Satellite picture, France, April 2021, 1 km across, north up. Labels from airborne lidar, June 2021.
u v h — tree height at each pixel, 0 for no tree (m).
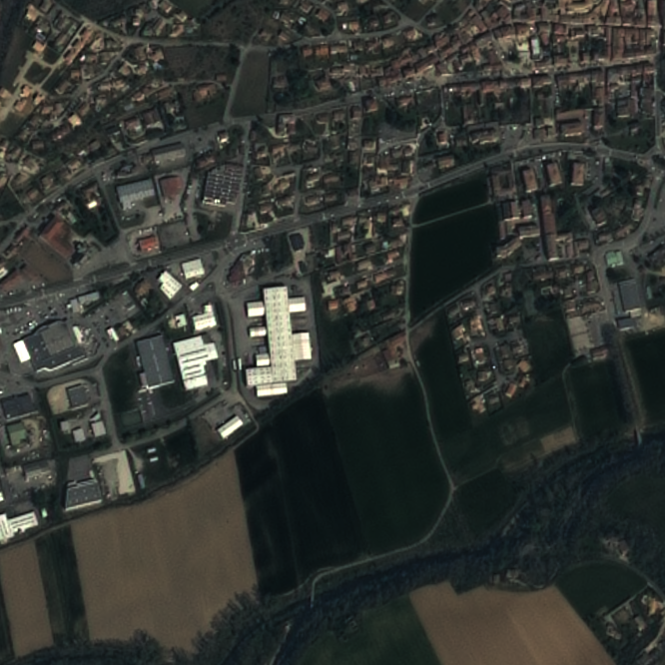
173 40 0
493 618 0
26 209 7
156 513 0
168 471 0
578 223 14
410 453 0
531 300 0
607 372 0
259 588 0
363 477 0
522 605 0
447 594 0
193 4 0
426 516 0
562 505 21
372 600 15
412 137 0
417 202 0
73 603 0
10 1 6
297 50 13
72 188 6
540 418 0
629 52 0
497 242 9
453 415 0
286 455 0
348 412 0
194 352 0
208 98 6
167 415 0
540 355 0
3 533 0
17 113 0
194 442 13
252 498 0
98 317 0
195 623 0
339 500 0
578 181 0
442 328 0
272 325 0
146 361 0
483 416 0
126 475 0
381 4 7
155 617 0
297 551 0
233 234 0
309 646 10
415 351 0
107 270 0
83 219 7
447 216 0
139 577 0
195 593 0
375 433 0
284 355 0
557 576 9
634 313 0
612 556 18
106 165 0
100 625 0
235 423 0
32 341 0
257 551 0
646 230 0
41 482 0
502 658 0
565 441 0
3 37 8
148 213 0
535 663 0
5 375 0
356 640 0
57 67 0
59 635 0
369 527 0
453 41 0
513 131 0
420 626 0
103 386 0
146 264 0
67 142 13
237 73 0
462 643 0
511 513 8
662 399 0
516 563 10
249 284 0
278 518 0
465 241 0
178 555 0
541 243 0
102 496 0
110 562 0
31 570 0
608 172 12
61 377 0
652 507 0
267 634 13
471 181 0
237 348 0
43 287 0
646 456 7
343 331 0
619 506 0
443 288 0
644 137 17
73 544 0
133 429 0
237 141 14
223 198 0
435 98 5
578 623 0
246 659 31
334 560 0
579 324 0
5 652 0
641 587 0
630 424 36
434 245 0
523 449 0
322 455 0
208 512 0
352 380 0
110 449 0
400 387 0
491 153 11
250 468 0
